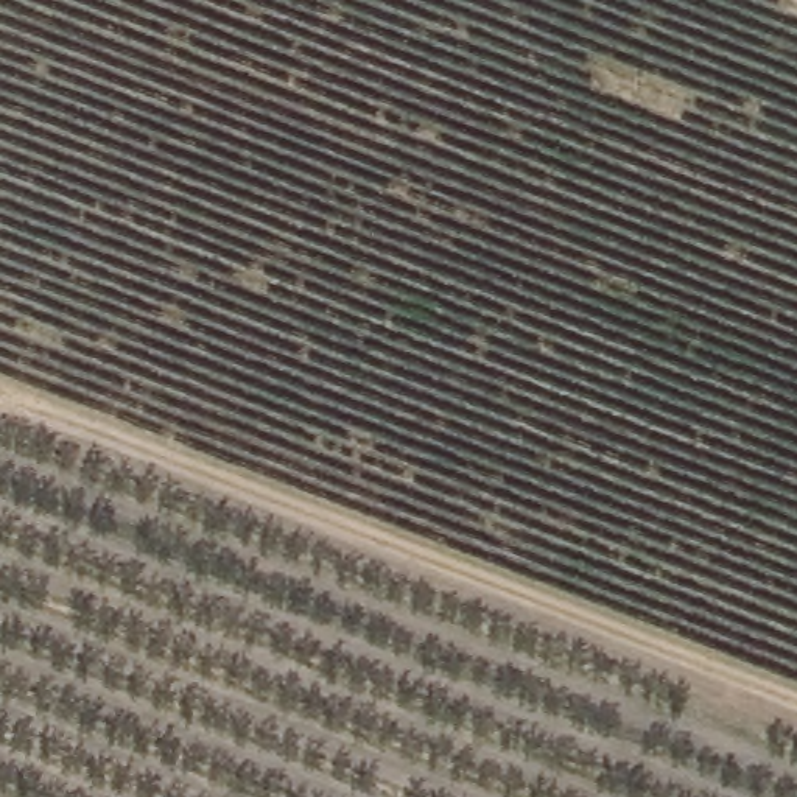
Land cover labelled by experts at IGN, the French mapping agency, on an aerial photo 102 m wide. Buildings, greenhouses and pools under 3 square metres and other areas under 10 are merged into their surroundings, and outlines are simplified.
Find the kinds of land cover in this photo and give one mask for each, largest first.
<instances>
[{"label":"vineyard","instance_id":"1","mask_svg":"<svg viewBox=\"0 0 797 797\"><path fill-rule=\"evenodd\" d=\"M0 377L84 405L128 427L174 439L215 461L283 483L290 489L324 498L346 511L374 517L411 535L430 539L442 548L517 573L529 582L551 585L588 604L607 607L613 613L632 616L654 629L672 632L679 638H688L694 644H704L710 651L729 654L741 663L797 682V0H0Z\"/></svg>","mask_w":797,"mask_h":797},{"label":"deciduous trees","instance_id":"2","mask_svg":"<svg viewBox=\"0 0 797 797\"><path fill-rule=\"evenodd\" d=\"M0 445L16 448L25 458H37L44 464L68 470L78 442L50 433L40 423L0 414ZM109 489L134 495L137 501L159 504L165 511L187 514L190 520L202 523V539L187 542V532L177 526H162L153 520H118L115 507L106 501H97L93 507L84 504L81 489H56L50 479L34 476L31 470H19L0 461V495L28 504L40 514L90 526L100 535L128 539L159 560H184V567L199 576H215L233 588L255 592L265 601L286 607L299 616L342 626L355 635H364L370 644L392 648L395 654L420 660V666L442 669L455 679H467L476 685H492L504 697H517L523 704L542 707L545 713L567 716L570 722L585 725L598 735L641 744L644 750L669 757L672 763H697V772L716 775L722 785L750 791L753 797H797V781L769 772L766 766H738L732 753H713L710 747L694 744L691 735L669 732L657 722L651 729L629 725L620 719L613 704H592L582 694L554 688L548 679L523 672L517 666H498L486 657L458 651L455 644H442L436 635H414L380 613L361 610L355 604H336L330 595L314 592L302 579L258 573L255 564L240 560L233 551H221L215 542L221 532H227L240 535L243 542L249 535H258L262 551H268L271 557L296 560L299 554H311V570H321L324 560L333 564L336 582H352L355 588H364L383 601H399L402 595H411L414 613L451 626L476 629L479 623H489L492 644H511L529 657H542L554 669L570 672L582 663H592L595 672L620 676L623 688L641 685V700H669V710L679 716L688 697L685 682H672L666 672H644L638 660L607 657L595 641L567 632L535 629L532 623H523L520 616L489 607L476 598L467 601L455 592L433 588L427 579L392 573L386 560H377L374 554L355 548L342 551L311 529L290 532L280 526L274 514L255 517L252 507H233L227 498H212L209 492H187L181 489V479L156 470L153 464L143 467V473H134L128 461L109 473ZM0 545L16 548L28 557H40L53 567H65L68 573L97 579L109 588H121L125 595L146 601L149 607L174 610L181 620L202 623L212 632L243 638L255 648H271L286 660H299L308 669L324 672L330 682H374L377 697L399 700L402 707L423 713L436 722L461 725L464 719H473V735L498 732L504 750H523L529 760L548 763L567 775H579L604 791L629 797H713L707 791H691L679 781H657L644 766L613 763L604 753L579 747L573 738L526 732L523 719H498L492 710L470 704L467 697L455 700L439 685L417 679L411 682L408 676L392 672L389 666H380L367 657L333 651L314 638H293V629L283 623L268 626V613H252V620H240L243 607H233L221 595L190 601V582H149L143 579L140 560H115L112 554H97L87 542H59L50 529L40 532L34 526H22L19 517H0ZM50 582L44 573L34 570L0 567V607L6 601H19L25 607H40L47 601ZM68 607L72 623L78 629L128 641V648L134 651H146L162 663L177 666L190 657V648H196L193 632L171 635V626L165 620L153 626L143 623L137 613L93 607V595L87 592H72ZM0 644H31V657L37 660H50L59 669H75L84 679H103V685L115 691L153 700V707L177 710L187 722H202L209 729L227 732L243 744H258L262 750L280 753L286 760L296 757V732L290 729L280 738L274 716L252 719L249 713H233L224 700L215 704L209 691L196 685L171 691V676L159 679V685L153 688L143 682V676L121 672V654H115L112 663H106L93 657L90 644L72 651V644L50 626L34 629L22 620L0 623ZM212 669H224V685L252 694L255 700L280 704L283 710L321 719L327 729L349 732L377 747L395 741L402 744V757L408 763L420 750H430V769L439 766V760H451L455 781L479 785L489 794L504 797H582L576 791L548 785L539 775L523 778V772L514 766L473 760L467 747L461 750L448 738H430L414 729H402L386 713H367L364 704H352L346 697H324L318 688H305L293 672L271 676L268 669L230 651H205L199 657V676L205 679L212 676ZM0 694L16 697L22 704H34L40 713L72 719L81 729L106 722L109 741L134 747L140 753H146V747H159V760L168 766L174 763V753L184 757V769L190 772H196L199 763H205L212 769V781L227 785L246 797H305V788H293L286 772L258 769L249 760L237 763L221 747L181 744L171 725L159 732L143 729L140 719L128 710H118L112 716L100 713L103 700L75 694V688L68 685H50L44 676L31 682L22 669L12 672L6 669V663H0ZM31 741H40L44 760L72 772L87 769V778L97 785L103 781V775H112L115 791L137 797H187L181 785H159V775L131 772L118 766L115 757H90L84 747H72L50 732H34L28 719H16L6 710H0V744L31 750ZM794 744L797 760V713L785 716L769 722V753L781 757V750ZM333 778L370 794L374 772L364 763H352L349 753L339 750L333 757ZM0 797H87L84 791H68L65 785L44 781L40 772H34L31 766L0 763Z\"/></svg>","mask_w":797,"mask_h":797},{"label":"plowed land","instance_id":"3","mask_svg":"<svg viewBox=\"0 0 797 797\"><path fill-rule=\"evenodd\" d=\"M0 461L19 470H31L34 476L50 479L56 489H81L84 504L93 507L97 501H106L115 507L118 520H153L162 526H177L187 532V542L202 539V523L190 520L187 514L165 511L159 504L137 501L134 495L109 489V473L128 461L125 455H103V448L90 442H78L68 470L44 464L37 458H25L16 448L0 445ZM0 517H19L22 526H34L40 532L50 529L59 542H87L97 554H112L115 560H140L143 579L149 582H190V601L221 595L233 607H243L240 620H252V613H268V626L283 623L293 629V638H314L333 651L367 657L380 666H389L392 672L408 676L411 682L417 679L439 685L455 700L467 697L470 704L492 710L498 719H523L526 732L573 738L579 747L604 753L613 763L644 766L657 781H679L691 791H707L713 797H753L750 791L722 785L716 775L697 772V763H672L669 757L644 750L641 744L598 735L585 725L570 722L567 716L545 713L542 707L523 704L517 697H504L492 685H476L467 679H455L442 669L420 666V660L395 654L392 648L370 644L364 635H355L342 626L299 616L286 607L265 601L255 592L233 588L215 576H199L184 567V560H159L128 539L100 535L90 526L40 514L28 504L0 495ZM221 551H233L240 560L255 564L258 573L302 579L314 592L330 595L336 604H355L361 610L380 613L414 635H436L442 644H455L458 651L486 657L498 666H517L523 672L548 679L554 688L582 694L592 704H613L620 719L629 725L651 729L657 722L669 732L691 735L694 744L710 747L713 753H732L738 766H766L769 772L797 781V760L794 744L781 750V757L769 753V722L785 716L778 707L747 691H729L719 682L700 676H688L685 682L688 697L679 716L669 710V700H641V685L623 688L620 676L595 672L592 663H582L570 672L554 669L542 657H529L511 644H492L489 623H479L476 629L451 626L414 613L411 595H402L399 601H383L364 588H355L352 582H336L333 564L324 560L321 570H311V554H299L296 560L271 557L268 551H262L258 535H249L243 542L240 535L227 532H221L215 542ZM0 567L34 570L44 573L50 582L47 601L40 607H25L19 601H6L0 607V623L22 620L34 629L50 626L72 644V651L90 644L93 657L106 663H112L115 654H121V672L143 676V682L153 688L159 685V679L171 676V691L196 685L209 691L215 704L224 700L233 713H249L252 719L274 716L280 738L290 729L296 732V757L286 760L280 753L262 750L258 744H243L227 732L209 729L202 722H187L177 710L153 707V700L115 691L103 685V679H84L75 669H59L50 660H37L31 657V644H0V663H6V669L12 672L22 669L31 682L44 676L50 685H68L75 688V694L103 700L100 713L112 716L118 710H128L140 719L143 729L159 732L171 725L181 744L221 747L237 763L249 760L258 769L286 772L293 788H305V797H504L489 794L479 785L455 781L451 760H439V766L430 769V750H420L408 763L402 757V744L395 741L377 747L349 732L327 729L321 719L283 710L280 704L255 700L252 694L224 685V669H212V676L205 679L199 676V657L205 651H230L268 669L271 676L293 672L305 688H318L324 697H346L352 704H364L367 713H386L402 729H414L430 738H448L461 750L467 747L473 760L514 766L523 772V778L539 775L548 785L576 791L582 797H629L604 791L579 775H567L548 763L529 760L523 750H504L498 732L473 735V719H464L461 725L436 722L423 713L402 707L399 700L377 697L374 682H330L324 672L308 669L299 660H286L271 648H255L243 638L212 632L202 623L181 620L174 610L149 607L146 601L125 595L121 588H109L97 579L68 573L65 567H53L40 557H28L16 548L0 545ZM72 592H87L93 595V607L137 613L143 623L153 626L165 620L171 626V635L193 632L196 648H190V657L177 666L162 663L146 651H134L128 648V641L78 629L72 623L68 607ZM339 750L349 753L352 763H364L374 772L370 794L333 778V757ZM0 710H6L16 719H28L34 732H50L72 747H84L90 757H115L118 766L131 772L159 775V785H181L187 797H246L227 785L212 781V769L205 763H199L196 772H190L184 769V757L174 753V763L168 766L159 760V747H146V753H140L134 747L109 741L106 722L81 729L72 719L40 713L34 704H22L16 697L0 694ZM0 763L31 766L34 772H40L44 781L65 785L68 791H84L87 797H137L115 791L112 775H103V781L97 785L87 778V769L72 772L44 760L40 741H31V750L0 744Z\"/></svg>","mask_w":797,"mask_h":797},{"label":"pervious surface","instance_id":"4","mask_svg":"<svg viewBox=\"0 0 797 797\"><path fill-rule=\"evenodd\" d=\"M0 414L40 423L50 433L78 442H90L103 448V455H125L134 473H143V467L153 464L156 470L181 479V489L187 492H209L212 498H227L233 507H252L255 517L274 514L280 526L290 532L311 529L342 551L355 548L374 554L377 560H386L392 573L427 579L433 588L455 592L467 601L476 598L489 607L520 616L523 623H532L535 629L567 632L595 641L607 657L638 660L644 672H666L672 682H685L688 676H700L719 682L729 691H747L778 707L785 716L797 713V682L741 663L729 654L710 651L704 644H694L688 638H679L672 632L654 629L632 616L613 613L607 607L588 604L551 585L529 582L517 573L442 548L430 539L411 535L374 517L346 511L324 498L290 489L283 483L215 461L174 439L128 427L84 405L0 377Z\"/></svg>","mask_w":797,"mask_h":797}]
</instances>
